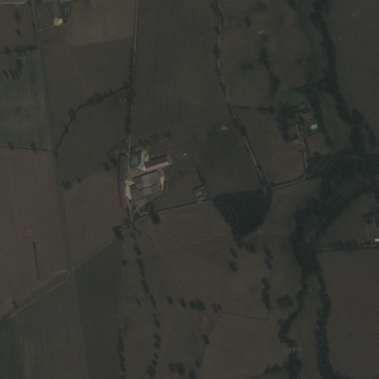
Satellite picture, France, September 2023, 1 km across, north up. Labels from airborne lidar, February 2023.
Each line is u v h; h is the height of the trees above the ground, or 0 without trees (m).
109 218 0
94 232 0
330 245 10
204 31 0
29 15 0
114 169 0
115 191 0
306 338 0
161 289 0
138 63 0
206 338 16
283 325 19
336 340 0
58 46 0
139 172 0
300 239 17
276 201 0
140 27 0
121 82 0
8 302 0
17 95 0
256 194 11
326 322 8
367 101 0
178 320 0
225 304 0
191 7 0
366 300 0
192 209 0
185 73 0
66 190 0
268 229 0
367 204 0
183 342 0
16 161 0
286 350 0
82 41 0
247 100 0
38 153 0
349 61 0
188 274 0
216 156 0
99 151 0
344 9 0
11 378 0
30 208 0
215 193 0
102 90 0
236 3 0
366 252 0
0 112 0
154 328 0
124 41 0
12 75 16
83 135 0
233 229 15
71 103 0
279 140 0
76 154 0
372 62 0
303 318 0
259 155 0
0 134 0
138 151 0
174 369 16
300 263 15
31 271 0
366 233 0
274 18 0
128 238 0
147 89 0
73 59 0
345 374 0
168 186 0
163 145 0
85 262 0
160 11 0
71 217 0
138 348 0
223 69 0
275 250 0
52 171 0
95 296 0
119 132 0
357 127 14
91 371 0
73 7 0
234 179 0
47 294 0
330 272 0
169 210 0
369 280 0
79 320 0
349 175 28
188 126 0
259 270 0
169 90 0
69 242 0
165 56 0
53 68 0
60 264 0
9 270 0
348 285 0
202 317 0
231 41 0
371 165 18
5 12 0
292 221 0
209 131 0
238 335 0
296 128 0
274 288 0
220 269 0
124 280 0
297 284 0
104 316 0
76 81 0
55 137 0
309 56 0
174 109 0
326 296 19
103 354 0
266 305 18
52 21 0
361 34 0
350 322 0
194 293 0
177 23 0
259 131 0
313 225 0
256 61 0
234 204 17
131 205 0
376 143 14
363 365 0
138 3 0
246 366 0
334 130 0
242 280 0
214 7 19
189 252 0
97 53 0
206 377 0
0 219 0
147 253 0
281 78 0
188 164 0
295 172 0
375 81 0
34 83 0
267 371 12
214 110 0
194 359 0
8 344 0
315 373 0
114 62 0
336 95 12
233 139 0
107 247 0
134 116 0
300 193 0
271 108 14
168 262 0
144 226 0
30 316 0
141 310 0
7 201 0
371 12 0
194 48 0
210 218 0
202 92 0
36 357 0
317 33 0
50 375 0
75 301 0
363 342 0
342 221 0
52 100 0
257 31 0
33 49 10
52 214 0
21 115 0
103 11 0
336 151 0
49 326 0
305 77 0
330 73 17
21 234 0
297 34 0
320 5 10
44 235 0
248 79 0
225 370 0
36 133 0
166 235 0
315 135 0
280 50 0
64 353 0
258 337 0
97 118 0
